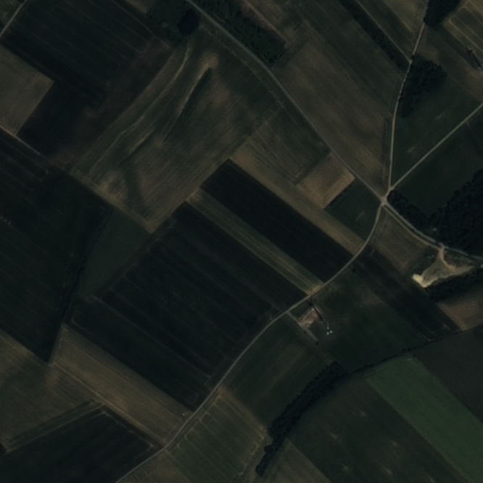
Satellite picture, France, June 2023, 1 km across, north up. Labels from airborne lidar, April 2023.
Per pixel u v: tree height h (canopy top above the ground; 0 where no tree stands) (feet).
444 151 0
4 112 0
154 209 0
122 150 0
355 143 0
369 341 0
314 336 0
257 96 0
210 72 0
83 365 0
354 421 0
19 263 0
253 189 0
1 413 0
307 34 0
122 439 0
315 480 0
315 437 0
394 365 0
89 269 0
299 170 0
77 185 0
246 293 0
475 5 0
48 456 0
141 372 0
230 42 0
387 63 0
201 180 0
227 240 0
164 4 0
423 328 0
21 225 0
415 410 0
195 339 0
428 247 0
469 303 0
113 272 0
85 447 0
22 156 0
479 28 0
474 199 85
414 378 0
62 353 0
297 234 0
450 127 0
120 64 0
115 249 0
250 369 0
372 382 0
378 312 0
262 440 0
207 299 0
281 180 0
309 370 0
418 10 0
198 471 0
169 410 0
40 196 0
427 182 0
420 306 0
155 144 0
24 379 0
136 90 0
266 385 0
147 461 0
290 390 0
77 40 0
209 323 0
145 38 0
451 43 0
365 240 0
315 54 0
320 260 0
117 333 0
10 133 0
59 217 0
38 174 0
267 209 0
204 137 0
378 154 0
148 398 0
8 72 0
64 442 0
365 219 0
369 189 0
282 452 0
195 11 20
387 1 0
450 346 0
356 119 0
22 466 0
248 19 32
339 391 0
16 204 0
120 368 0
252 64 0
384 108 0
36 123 0
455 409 0
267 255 0
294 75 0
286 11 0
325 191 0
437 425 0
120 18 0
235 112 0
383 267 0
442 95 0
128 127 0
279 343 0
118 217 0
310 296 0
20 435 0
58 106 0
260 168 0
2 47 0
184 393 0
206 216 0
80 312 0
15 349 0
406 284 0
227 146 0
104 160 0
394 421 0
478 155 0
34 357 0
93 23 0
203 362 0
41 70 0
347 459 0
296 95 0
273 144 0
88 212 0
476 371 0
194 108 0
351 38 0
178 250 0
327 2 0
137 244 0
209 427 0
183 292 0
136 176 0
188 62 0
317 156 0
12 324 0
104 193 0
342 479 0
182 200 0
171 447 0
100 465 0
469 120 0
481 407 0
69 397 0
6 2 0
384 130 0
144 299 0
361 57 0
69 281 0
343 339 0
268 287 0
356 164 0
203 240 0
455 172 0
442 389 0
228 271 0
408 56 0
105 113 0
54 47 0
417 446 0
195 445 0
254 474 0
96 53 0
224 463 0
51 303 0
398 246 0
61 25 0
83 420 0
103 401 0
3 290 0
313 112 0
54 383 0
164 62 0
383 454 0
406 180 0
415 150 0
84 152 0
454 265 0
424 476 0
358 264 0
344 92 0
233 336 0
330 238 0
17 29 0
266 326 0
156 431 0
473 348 0
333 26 0
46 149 0
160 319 0
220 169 0
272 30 0
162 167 0
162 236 0
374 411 0
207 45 0
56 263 0
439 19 46
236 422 0
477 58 0
